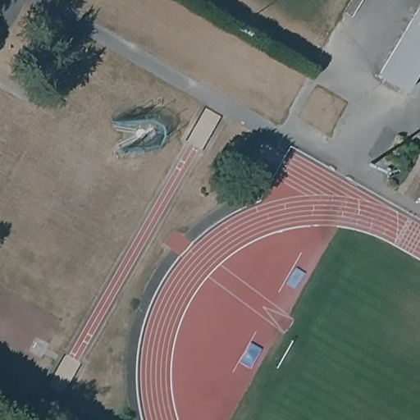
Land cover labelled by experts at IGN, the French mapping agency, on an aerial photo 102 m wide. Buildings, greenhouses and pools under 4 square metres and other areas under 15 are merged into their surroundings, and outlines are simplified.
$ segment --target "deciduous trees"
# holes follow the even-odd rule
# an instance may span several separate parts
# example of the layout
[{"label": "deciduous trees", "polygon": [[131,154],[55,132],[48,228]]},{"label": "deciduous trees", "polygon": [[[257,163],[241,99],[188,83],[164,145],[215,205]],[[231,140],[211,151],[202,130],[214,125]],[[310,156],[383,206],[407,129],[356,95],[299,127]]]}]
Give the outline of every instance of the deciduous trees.
[{"label": "deciduous trees", "polygon": [[0,395],[0,420],[38,420],[30,418],[28,413],[21,409],[13,412],[5,397]]},{"label": "deciduous trees", "polygon": [[415,144],[407,144],[386,159],[389,166],[395,167],[395,172],[390,174],[390,182],[392,185],[400,185],[409,176],[420,154],[420,148]]},{"label": "deciduous trees", "polygon": [[236,144],[230,141],[213,159],[213,174],[210,177],[210,185],[207,185],[208,194],[215,192],[223,208],[231,213],[236,208],[253,207],[256,200],[266,199],[267,195],[271,194],[272,187],[272,174],[267,171],[266,164],[258,164],[238,153]]},{"label": "deciduous trees", "polygon": [[266,52],[272,59],[308,77],[315,79],[322,71],[317,64],[300,56],[299,52],[287,48],[279,41],[274,41],[262,31],[251,30],[243,21],[236,20],[235,16],[231,16],[208,0],[174,0],[189,8],[195,15],[210,21],[220,30],[235,34],[236,38],[240,38],[249,46]]},{"label": "deciduous trees", "polygon": [[26,95],[31,103],[44,108],[59,105],[64,107],[66,97],[57,94],[52,84],[44,79],[43,71],[38,67],[38,59],[33,54],[33,49],[28,46],[16,54],[11,67],[11,80],[18,82],[25,89]]},{"label": "deciduous trees", "polygon": [[25,30],[21,31],[20,38],[28,38],[30,44],[49,41],[52,34],[46,21],[38,26],[26,21]]}]

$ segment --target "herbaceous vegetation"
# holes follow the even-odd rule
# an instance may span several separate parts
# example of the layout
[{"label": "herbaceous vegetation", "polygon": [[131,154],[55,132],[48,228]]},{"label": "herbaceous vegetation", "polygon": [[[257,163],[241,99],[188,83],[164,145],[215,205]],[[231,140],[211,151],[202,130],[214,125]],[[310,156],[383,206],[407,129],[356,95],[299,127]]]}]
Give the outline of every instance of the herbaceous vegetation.
[{"label": "herbaceous vegetation", "polygon": [[3,16],[3,8],[7,7],[3,5],[2,0],[0,0],[0,49],[3,48],[8,36],[7,20]]},{"label": "herbaceous vegetation", "polygon": [[348,108],[348,100],[335,94],[325,85],[315,84],[308,94],[300,95],[295,110],[299,110],[300,120],[304,121],[305,125],[312,126],[313,130],[320,131],[323,135],[328,131],[335,133],[341,116]]},{"label": "herbaceous vegetation", "polygon": [[43,71],[44,79],[52,84],[54,77],[61,72],[62,64],[71,64],[75,61],[72,52],[75,48],[66,43],[66,36],[52,34],[49,41],[30,44],[28,46],[33,49],[33,54],[38,59],[38,67]]},{"label": "herbaceous vegetation", "polygon": [[407,144],[415,144],[420,148],[420,128],[412,131],[410,135],[400,131],[402,141],[386,153],[372,159],[372,164],[386,159]]},{"label": "herbaceous vegetation", "polygon": [[420,261],[384,241],[377,240],[374,236],[343,228],[336,231],[292,308],[294,325],[282,336],[279,345],[272,346],[230,420],[420,420]]},{"label": "herbaceous vegetation", "polygon": [[235,16],[236,20],[243,21],[251,30],[262,31],[274,41],[279,41],[287,48],[299,52],[300,56],[317,64],[322,71],[325,71],[331,61],[330,54],[323,49],[330,39],[331,31],[343,20],[345,13],[353,13],[359,0],[208,0],[231,16]]},{"label": "herbaceous vegetation", "polygon": [[[26,95],[23,98],[16,98],[15,95],[0,89],[0,289],[41,308],[46,313],[46,320],[52,322],[49,325],[49,333],[64,336],[64,343],[59,348],[67,354],[71,353],[72,346],[84,330],[85,323],[97,307],[94,300],[89,297],[90,292],[97,294],[97,287],[107,281],[105,272],[112,269],[113,261],[118,259],[121,251],[126,246],[130,248],[131,243],[135,241],[139,228],[143,226],[154,202],[161,194],[162,180],[176,161],[177,153],[182,146],[182,131],[189,126],[189,121],[194,121],[195,113],[203,103],[187,90],[159,79],[153,72],[136,66],[135,62],[118,56],[110,49],[105,49],[95,71],[90,72],[89,82],[77,85],[66,97],[64,107],[59,105],[44,108],[31,103]],[[116,133],[112,130],[112,125],[115,121],[120,123],[128,120],[162,121],[166,125],[167,135],[171,135],[171,143],[157,151],[123,153],[123,149],[115,146],[123,139],[123,131]]]},{"label": "herbaceous vegetation", "polygon": [[223,208],[215,192],[208,194],[207,185],[210,185],[210,177],[213,174],[213,159],[230,141],[236,144],[238,153],[258,164],[266,164],[267,171],[272,174],[272,187],[281,184],[285,177],[285,166],[290,157],[294,156],[294,149],[290,148],[292,141],[282,133],[267,128],[246,133],[244,121],[235,123],[230,118],[225,118],[223,128],[213,126],[212,133],[203,144],[202,159],[197,161],[195,169],[185,171],[171,202],[167,203],[159,218],[162,228],[157,231],[157,240],[154,241],[153,254],[148,266],[144,267],[135,287],[125,287],[120,305],[105,323],[105,331],[97,338],[92,336],[85,349],[84,356],[89,361],[89,367],[80,382],[95,381],[98,402],[105,409],[113,410],[113,413],[118,415],[123,410],[123,405],[128,402],[126,358],[131,326],[138,315],[141,299],[151,277],[169,251],[179,254],[190,243],[185,235],[179,233],[182,226],[194,228],[205,215]]},{"label": "herbaceous vegetation", "polygon": [[79,420],[82,415],[79,402],[56,397],[48,389],[31,389],[0,372],[0,395],[5,397],[13,412],[21,409],[28,413],[30,418],[38,420]]},{"label": "herbaceous vegetation", "polygon": [[258,112],[264,113],[266,118],[282,120],[285,110],[290,112],[295,97],[299,95],[308,77],[272,59],[266,52],[249,46],[240,38],[236,38],[235,34],[220,30],[210,21],[195,15],[189,8],[174,0],[84,0],[84,5],[77,10],[77,16],[82,18],[87,15],[94,18],[97,30],[110,30],[121,34],[131,43],[141,46],[144,51],[159,57],[157,62],[166,61],[167,67],[174,67],[177,72],[184,71],[190,79],[217,90],[218,94],[231,98],[241,107],[256,108]]}]

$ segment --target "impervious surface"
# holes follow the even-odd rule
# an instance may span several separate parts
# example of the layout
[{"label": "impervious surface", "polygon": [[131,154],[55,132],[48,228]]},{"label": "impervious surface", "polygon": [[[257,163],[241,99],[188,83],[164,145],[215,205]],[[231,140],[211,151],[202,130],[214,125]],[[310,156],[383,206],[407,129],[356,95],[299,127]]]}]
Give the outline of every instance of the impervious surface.
[{"label": "impervious surface", "polygon": [[[159,57],[144,51],[141,46],[131,43],[121,34],[110,30],[97,30],[94,18],[87,15],[82,18],[77,16],[77,10],[84,5],[84,0],[2,0],[3,5],[7,7],[3,8],[3,16],[7,20],[8,36],[3,48],[0,49],[0,89],[15,95],[16,98],[23,98],[26,95],[25,89],[18,82],[11,80],[11,67],[16,54],[28,46],[30,44],[28,38],[20,38],[21,31],[25,30],[26,21],[38,26],[46,21],[52,34],[66,36],[66,43],[75,48],[72,52],[75,61],[71,64],[62,64],[61,72],[54,77],[52,84],[57,94],[66,97],[77,85],[89,82],[90,72],[95,71],[105,49],[110,49],[118,56],[135,62],[136,66],[153,72],[159,79],[187,90],[203,103],[195,113],[194,121],[189,121],[189,126],[182,131],[182,146],[177,153],[176,161],[162,180],[161,194],[154,202],[143,226],[139,228],[135,241],[131,243],[130,248],[126,246],[121,251],[118,259],[113,261],[112,269],[105,272],[107,281],[97,287],[97,294],[90,292],[89,297],[94,300],[97,307],[85,323],[84,330],[72,346],[71,353],[67,354],[59,348],[64,343],[64,336],[49,333],[49,325],[52,322],[46,320],[46,313],[41,308],[0,289],[0,372],[31,389],[48,389],[56,397],[79,402],[82,415],[79,420],[230,420],[272,346],[279,345],[282,336],[294,325],[292,308],[336,231],[343,228],[374,236],[377,240],[384,241],[420,261],[420,154],[409,176],[400,185],[392,185],[390,182],[390,174],[395,172],[395,167],[389,166],[386,159],[372,164],[372,159],[386,153],[402,141],[400,131],[410,135],[412,131],[420,128],[420,75],[415,87],[412,85],[410,89],[405,89],[381,79],[379,72],[390,51],[394,49],[395,43],[409,25],[413,13],[420,7],[420,0],[359,0],[353,13],[345,13],[343,20],[331,31],[330,39],[323,49],[330,54],[331,61],[325,71],[322,71],[315,79],[308,77],[299,95],[295,97],[290,112],[285,110],[282,120],[266,118],[264,113],[258,112],[256,108],[241,107],[231,98],[218,94],[217,90],[190,79],[184,71],[177,72],[174,67],[167,67],[166,61],[157,62]],[[305,125],[304,121],[300,120],[299,110],[295,110],[300,95],[308,94],[315,84],[325,85],[335,94],[348,100],[348,108],[341,116],[335,133],[328,131],[323,135],[320,131],[313,130],[312,126]],[[171,202],[185,171],[195,169],[197,161],[202,159],[203,144],[212,133],[213,126],[223,128],[225,118],[230,118],[235,123],[244,121],[246,133],[267,128],[282,133],[292,141],[290,148],[294,149],[294,156],[290,157],[285,166],[285,177],[281,184],[272,187],[271,194],[267,195],[266,199],[256,200],[253,207],[236,208],[231,213],[223,208],[205,215],[194,228],[182,226],[179,233],[185,235],[190,243],[179,254],[169,251],[151,277],[141,299],[138,315],[131,326],[126,358],[128,402],[123,405],[123,410],[118,415],[113,413],[113,410],[105,409],[98,402],[95,381],[80,382],[89,367],[89,361],[84,356],[85,349],[92,336],[97,338],[105,331],[105,323],[120,305],[125,287],[135,287],[144,267],[148,266],[153,254],[154,241],[157,240],[157,231],[162,228],[159,218],[167,203]]]},{"label": "impervious surface", "polygon": [[157,151],[171,143],[171,135],[167,135],[166,125],[162,121],[128,120],[120,123],[115,121],[112,125],[112,130],[116,133],[123,131],[123,139],[115,146],[123,149],[123,153]]}]

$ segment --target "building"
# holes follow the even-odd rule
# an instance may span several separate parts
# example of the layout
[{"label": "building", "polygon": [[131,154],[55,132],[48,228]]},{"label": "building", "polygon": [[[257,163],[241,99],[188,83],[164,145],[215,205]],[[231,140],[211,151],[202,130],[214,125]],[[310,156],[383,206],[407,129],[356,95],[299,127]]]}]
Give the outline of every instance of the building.
[{"label": "building", "polygon": [[381,79],[405,89],[410,89],[412,85],[415,87],[420,75],[420,7],[413,13],[409,25],[395,43],[394,49],[390,51],[379,72]]}]

